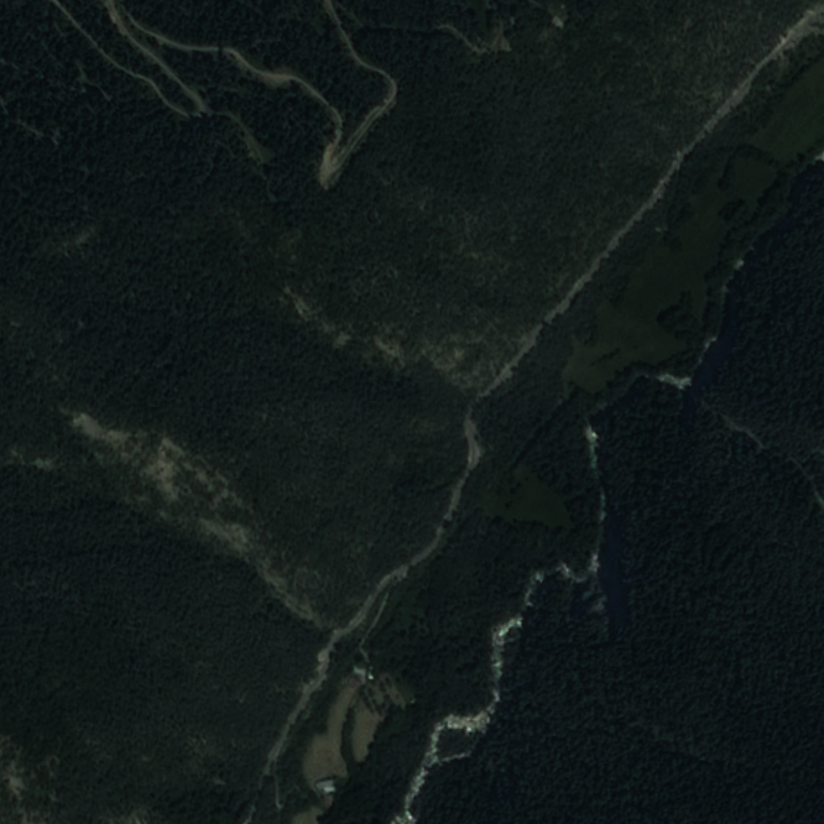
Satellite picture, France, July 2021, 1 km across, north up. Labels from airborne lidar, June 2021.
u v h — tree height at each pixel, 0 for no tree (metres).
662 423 29
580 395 24
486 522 11
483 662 16
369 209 13
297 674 5
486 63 14
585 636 17
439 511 10
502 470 10
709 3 8
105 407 11
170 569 15
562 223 8
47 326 19
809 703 18
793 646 23
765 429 11
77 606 12
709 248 0
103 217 9
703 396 12
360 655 7
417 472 10
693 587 10
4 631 16
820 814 20
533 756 12
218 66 18
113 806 13
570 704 18
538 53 6
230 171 22
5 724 8
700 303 0
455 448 8
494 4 9
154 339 28
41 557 22
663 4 11
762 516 17
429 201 7
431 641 14
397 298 8
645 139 10
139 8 12
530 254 7
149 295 24
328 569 9
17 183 24
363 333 6
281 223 13
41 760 8
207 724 12
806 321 25
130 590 10
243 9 22
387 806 19
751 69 8
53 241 8
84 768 9
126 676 16
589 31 8
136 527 6
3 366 14
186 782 11
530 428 18
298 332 9
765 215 17
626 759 14
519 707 17
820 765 24
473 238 6
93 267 13
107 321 28
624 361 0
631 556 19
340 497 11
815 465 13
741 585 17
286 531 8
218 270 9
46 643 19
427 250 7
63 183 22
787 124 0
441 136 14
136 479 6
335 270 13
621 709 16
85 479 6
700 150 11
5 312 12
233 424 9
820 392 12
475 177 11
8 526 18
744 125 10
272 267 10
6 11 22
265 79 0
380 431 10
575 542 14
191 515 6
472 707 15
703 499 14
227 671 11
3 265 19
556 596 24
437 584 19
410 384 16
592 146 11
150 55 0
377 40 23
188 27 16
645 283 0
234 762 10
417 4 25
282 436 8
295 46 23
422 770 12
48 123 16
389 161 17
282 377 18
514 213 10
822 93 0
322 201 14
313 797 12
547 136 12
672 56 7
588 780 18
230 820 6
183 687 11
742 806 20
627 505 18
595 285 12
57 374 8
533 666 16
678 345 0
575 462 27
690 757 10
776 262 22
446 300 9
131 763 7
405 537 11
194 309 18
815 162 10
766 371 19
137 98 16
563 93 12
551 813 20
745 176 0
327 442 12
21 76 10
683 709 15
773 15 6
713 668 16
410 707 8
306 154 19
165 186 26
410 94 11
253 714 12
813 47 9
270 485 14
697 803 17
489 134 12
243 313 11
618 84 9
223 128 14
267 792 12
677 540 19
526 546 21
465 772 14
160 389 14
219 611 8
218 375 15
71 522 16
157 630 14
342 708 0
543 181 11
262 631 9
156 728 10
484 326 7
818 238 16
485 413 17
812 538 8
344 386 10
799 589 16
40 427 12
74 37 15
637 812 18
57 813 7
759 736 19
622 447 24
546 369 14
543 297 6
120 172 17
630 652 16
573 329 12
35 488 8
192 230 7
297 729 7
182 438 6
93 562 22
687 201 12
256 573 7
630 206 9
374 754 12
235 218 6
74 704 12
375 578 8
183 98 22
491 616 18
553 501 0
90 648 16
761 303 24
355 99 6
